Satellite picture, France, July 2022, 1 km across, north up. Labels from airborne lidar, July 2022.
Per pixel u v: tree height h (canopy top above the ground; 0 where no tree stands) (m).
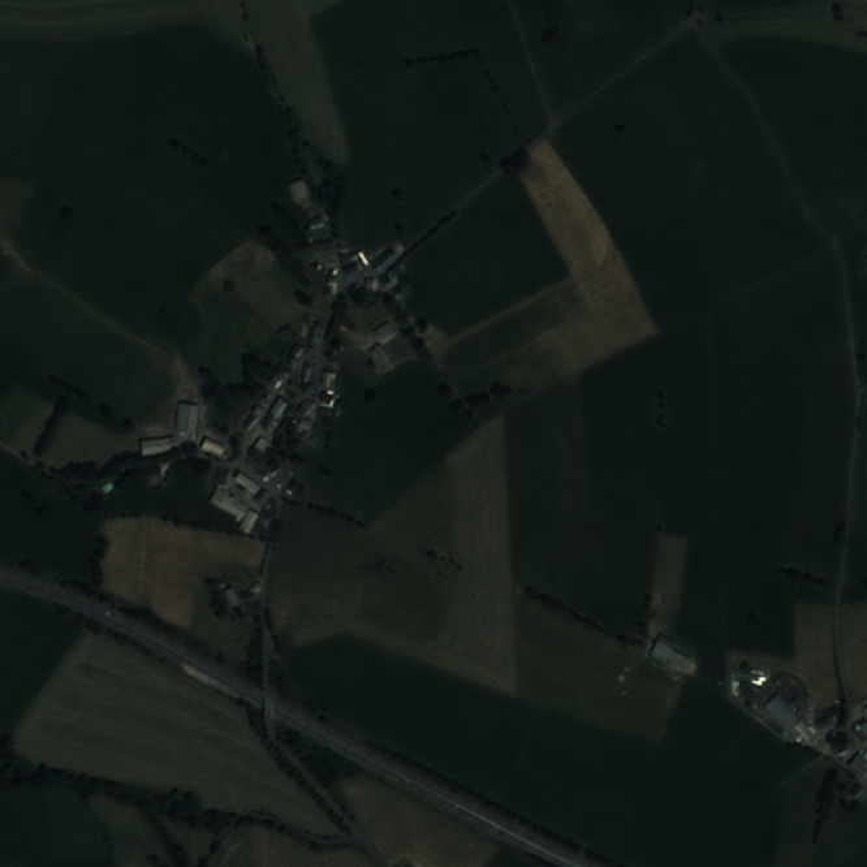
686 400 0
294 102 0
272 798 0
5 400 0
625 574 0
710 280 0
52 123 0
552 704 0
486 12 0
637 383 0
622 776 0
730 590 0
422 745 0
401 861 0
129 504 0
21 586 0
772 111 0
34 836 0
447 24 0
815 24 0
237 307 0
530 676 0
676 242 0
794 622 0
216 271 0
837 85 0
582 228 0
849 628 0
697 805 0
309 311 0
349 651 0
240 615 10
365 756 0
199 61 0
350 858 0
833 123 0
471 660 0
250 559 0
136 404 0
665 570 0
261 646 8
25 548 0
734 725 0
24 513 0
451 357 0
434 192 0
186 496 0
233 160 0
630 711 0
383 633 0
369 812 0
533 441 0
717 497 0
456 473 0
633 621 0
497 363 0
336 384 0
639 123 0
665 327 0
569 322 0
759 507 0
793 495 0
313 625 0
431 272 0
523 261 0
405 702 0
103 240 0
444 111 0
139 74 0
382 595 0
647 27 0
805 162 0
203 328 0
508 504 0
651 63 0
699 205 0
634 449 0
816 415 0
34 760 0
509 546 0
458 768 0
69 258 0
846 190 0
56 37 0
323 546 0
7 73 0
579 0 0
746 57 0
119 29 0
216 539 0
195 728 0
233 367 0
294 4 0
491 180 0
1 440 0
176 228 0
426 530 0
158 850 0
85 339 0
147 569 0
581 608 0
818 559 0
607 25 0
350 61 0
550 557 0
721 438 0
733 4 0
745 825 0
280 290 0
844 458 0
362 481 0
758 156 0
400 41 0
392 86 0
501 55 0
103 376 0
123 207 0
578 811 0
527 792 0
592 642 0
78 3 0
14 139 0
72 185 0
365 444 0
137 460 14
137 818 0
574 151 0
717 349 0
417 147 0
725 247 0
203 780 0
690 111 0
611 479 0
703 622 0
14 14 0
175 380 0
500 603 0
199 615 0
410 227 0
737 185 0
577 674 0
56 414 11
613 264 0
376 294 7
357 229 0
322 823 0
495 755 0
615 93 0
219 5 0
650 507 0
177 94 0
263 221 0
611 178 0
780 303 0
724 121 0
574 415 0
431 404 0
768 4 0
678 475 0
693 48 0
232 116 0
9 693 0
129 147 0
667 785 0
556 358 0
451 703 0
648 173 0
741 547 0
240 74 0
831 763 0
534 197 0
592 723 0
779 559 0
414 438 0
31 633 0
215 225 0
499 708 0
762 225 0
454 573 0
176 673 0
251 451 6
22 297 0
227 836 0
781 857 0
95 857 0
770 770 0
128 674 0
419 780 0
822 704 0
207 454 10
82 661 0
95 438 0
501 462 0
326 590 0
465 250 0
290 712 0
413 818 0
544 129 0
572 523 0
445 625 0
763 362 0
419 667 0
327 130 0
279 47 0
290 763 8
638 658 0
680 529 0
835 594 0
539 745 0
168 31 0
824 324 0
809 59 0
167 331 0
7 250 0
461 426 0
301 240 13
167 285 0
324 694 0
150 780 0
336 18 0
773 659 0
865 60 0
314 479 0
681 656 0
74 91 0
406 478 0
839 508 0
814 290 0
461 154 0
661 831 0
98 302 0
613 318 0
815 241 0
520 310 0
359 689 0
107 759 0
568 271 0
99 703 0
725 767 0
